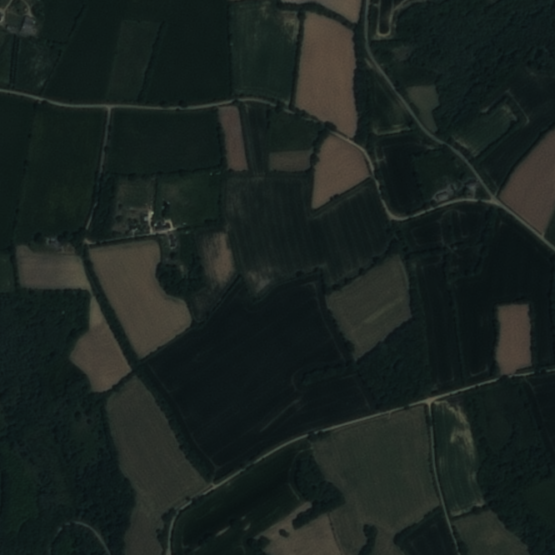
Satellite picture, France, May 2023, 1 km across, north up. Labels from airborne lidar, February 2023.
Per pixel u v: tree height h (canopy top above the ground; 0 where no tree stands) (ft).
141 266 0
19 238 0
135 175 27
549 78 0
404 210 0
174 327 0
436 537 0
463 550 41
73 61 0
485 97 30
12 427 30
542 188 0
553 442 0
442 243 0
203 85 0
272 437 0
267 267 0
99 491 56
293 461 0
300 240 0
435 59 30
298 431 0
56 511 38
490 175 0
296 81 19
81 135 0
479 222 0
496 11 22
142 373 24
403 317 0
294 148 0
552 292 29
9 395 31
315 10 43
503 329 0
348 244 0
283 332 0
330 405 0
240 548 0
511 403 0
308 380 60
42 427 47
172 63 0
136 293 0
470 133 0
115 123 0
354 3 0
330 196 0
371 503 0
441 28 39
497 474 38
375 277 0
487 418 0
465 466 0
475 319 0
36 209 0
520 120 24
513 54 55
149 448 0
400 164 0
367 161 23
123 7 0
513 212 0
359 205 0
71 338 28
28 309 24
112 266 0
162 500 0
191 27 0
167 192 0
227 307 0
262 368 0
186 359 0
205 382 0
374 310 0
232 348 0
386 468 0
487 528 0
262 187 0
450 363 0
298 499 0
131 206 0
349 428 0
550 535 32
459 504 0
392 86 0
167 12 0
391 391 52
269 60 0
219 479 23
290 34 0
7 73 0
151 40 0
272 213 0
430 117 0
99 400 28
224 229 0
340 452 0
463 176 35
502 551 0
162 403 26
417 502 0
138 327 0
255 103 0
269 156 0
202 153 0
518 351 0
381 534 0
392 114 0
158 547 0
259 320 0
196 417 0
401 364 56
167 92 0
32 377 37
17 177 0
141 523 0
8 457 37
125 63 0
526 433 0
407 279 0
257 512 0
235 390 0
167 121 0
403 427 0
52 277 0
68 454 49
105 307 36
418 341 61
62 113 0
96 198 27
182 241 0
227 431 0
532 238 0
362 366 60
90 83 0
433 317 0
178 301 0
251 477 0
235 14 0
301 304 0
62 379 0
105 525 24
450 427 0
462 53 31
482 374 0
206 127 0
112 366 0
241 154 0
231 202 0
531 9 32
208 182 0
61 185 0
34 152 0
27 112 0
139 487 0
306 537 0
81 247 29
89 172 0
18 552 54
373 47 28
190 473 0
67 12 0
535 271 0
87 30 0
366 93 47
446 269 51
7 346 30
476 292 0
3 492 39
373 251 0
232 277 0
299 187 0
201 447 0
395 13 0
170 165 0
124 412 0
